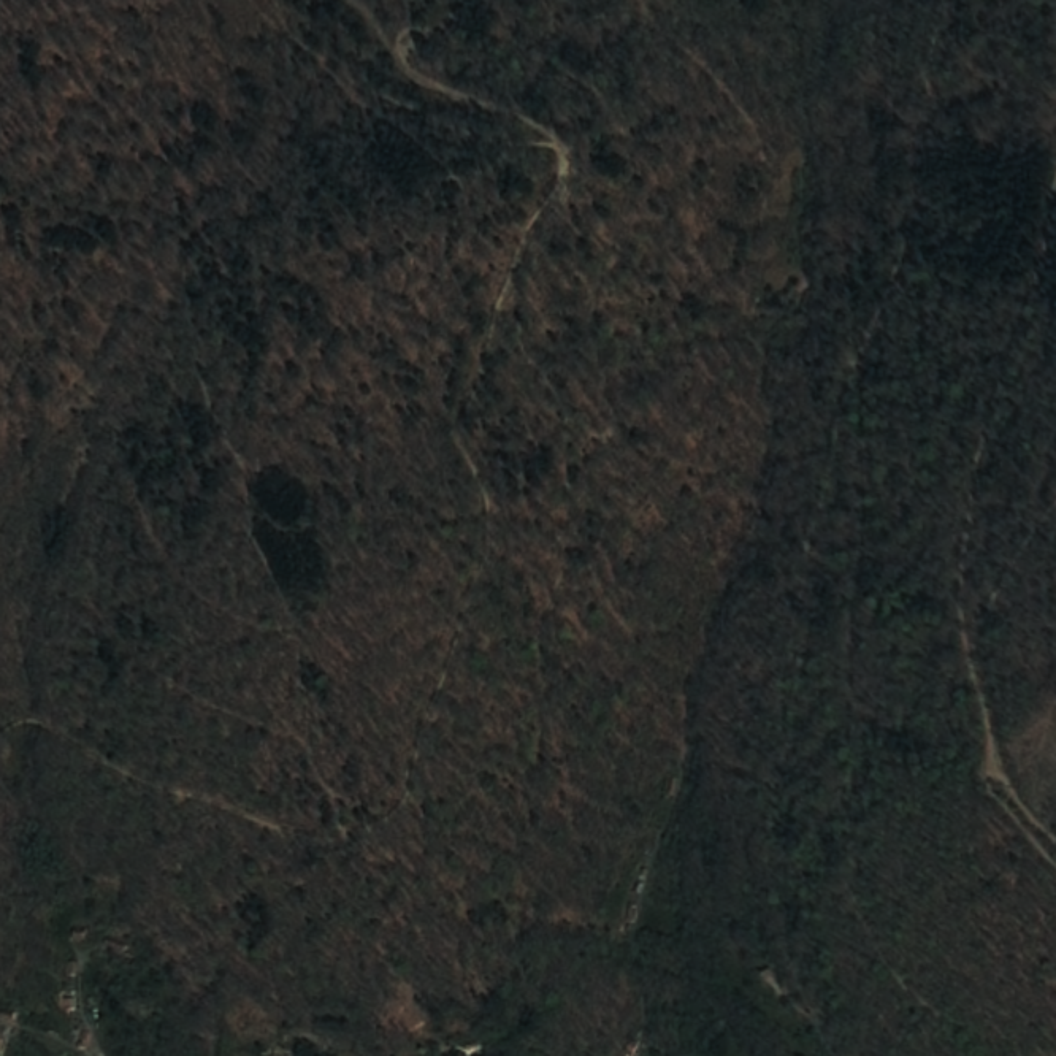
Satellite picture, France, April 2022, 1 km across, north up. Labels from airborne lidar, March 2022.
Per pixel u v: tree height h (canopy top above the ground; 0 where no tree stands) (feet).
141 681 58
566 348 101
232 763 69
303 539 28
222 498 73
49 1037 0
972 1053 88
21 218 43
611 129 77
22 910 80
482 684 91
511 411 73
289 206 39
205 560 48
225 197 82
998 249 79
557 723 94
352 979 78
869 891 67
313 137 57
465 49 77
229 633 67
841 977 73
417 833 66
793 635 69
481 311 84
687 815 68
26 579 29
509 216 82
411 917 72
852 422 68
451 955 94
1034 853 80
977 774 39
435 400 89
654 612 92
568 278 72
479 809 86
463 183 83
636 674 92
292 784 72
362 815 52
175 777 56
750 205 80
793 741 62
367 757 77
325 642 78
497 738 52
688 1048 94
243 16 74
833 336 73
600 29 113
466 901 103
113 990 52
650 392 98
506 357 80
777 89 90
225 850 80
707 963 66
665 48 64
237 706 59
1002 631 76
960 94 98
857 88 102
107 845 88
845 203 60
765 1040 107
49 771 94
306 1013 94
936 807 71
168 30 54
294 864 76
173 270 94
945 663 77
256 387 76
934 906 73
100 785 70
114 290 101
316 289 59
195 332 74
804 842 73
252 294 64
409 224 81
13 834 104
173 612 43
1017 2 63
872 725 30
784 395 112
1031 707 73
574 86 90
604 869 112
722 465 93
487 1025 70
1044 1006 86
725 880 110
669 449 107
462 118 83
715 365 101
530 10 75
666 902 36
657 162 83
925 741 74
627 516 92
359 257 56
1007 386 45
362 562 78
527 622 66
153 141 92
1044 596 82
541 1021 121
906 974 63
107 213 82
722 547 77
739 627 100
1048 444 75
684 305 56
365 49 88
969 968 68
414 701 68
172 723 52
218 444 87
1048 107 99
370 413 72
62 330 70
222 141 68
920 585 84
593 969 116
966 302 75
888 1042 90
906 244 56
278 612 61
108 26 91
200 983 93
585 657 102
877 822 70
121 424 65
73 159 78
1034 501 78
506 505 81
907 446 82
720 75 91
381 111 85
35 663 75
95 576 49
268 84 53
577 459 82
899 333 68
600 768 117
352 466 79
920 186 47
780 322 26
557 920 109
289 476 53
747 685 96
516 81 92
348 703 69
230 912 79
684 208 71
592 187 29
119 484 46
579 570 90
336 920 73
